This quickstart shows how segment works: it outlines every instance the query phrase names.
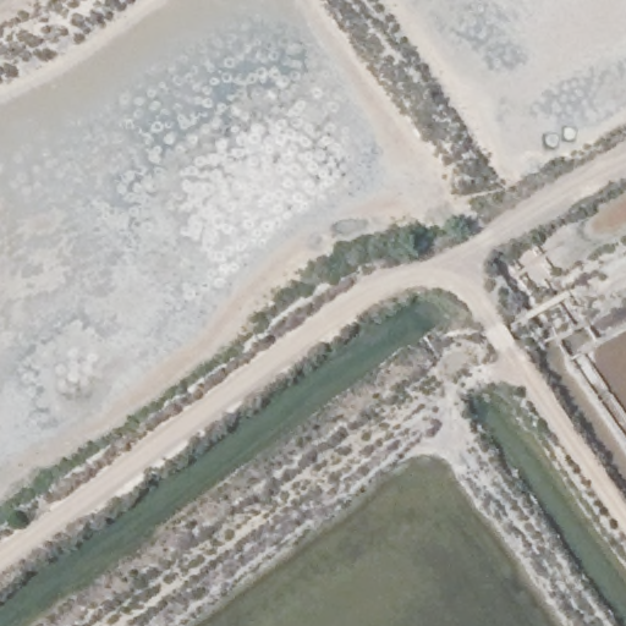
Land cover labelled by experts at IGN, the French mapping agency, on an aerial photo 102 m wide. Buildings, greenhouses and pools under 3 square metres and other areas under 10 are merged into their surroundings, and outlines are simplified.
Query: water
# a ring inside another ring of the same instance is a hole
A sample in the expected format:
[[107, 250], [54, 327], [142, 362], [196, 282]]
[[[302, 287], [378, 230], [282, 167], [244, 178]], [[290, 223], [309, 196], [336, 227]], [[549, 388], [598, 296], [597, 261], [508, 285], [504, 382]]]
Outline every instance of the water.
[[342, 501], [340, 521], [318, 531], [306, 531], [301, 538], [296, 538], [293, 553], [289, 553], [284, 560], [279, 560], [274, 567], [254, 577], [247, 587], [242, 587], [235, 594], [230, 602], [220, 604], [215, 611], [210, 611], [203, 621], [193, 626], [560, 626], [550, 609], [543, 604], [540, 594], [528, 584], [514, 553], [470, 504], [457, 479], [445, 460], [421, 455], [408, 460], [401, 474], [389, 474], [384, 470], [377, 474], [377, 484], [362, 487], [352, 499]]
[[616, 450], [606, 428], [597, 421], [587, 401], [580, 394], [575, 396], [587, 418], [594, 423], [599, 438], [614, 450], [616, 465], [626, 474], [626, 457]]
[[599, 374], [609, 394], [619, 401], [619, 406], [626, 413], [626, 333], [606, 345], [599, 345], [592, 364], [592, 369]]
[[413, 345], [418, 337], [435, 328], [440, 318], [438, 308], [411, 293], [394, 315], [384, 318], [374, 328], [367, 328], [357, 320], [350, 328], [345, 328], [333, 342], [313, 347], [308, 357], [303, 357], [286, 377], [269, 384], [264, 391], [249, 394], [242, 408], [237, 408], [223, 421], [225, 433], [218, 440], [208, 440], [208, 447], [201, 455], [191, 457], [186, 450], [183, 452], [188, 457], [183, 467], [169, 470], [166, 477], [159, 477], [154, 472], [144, 479], [130, 494], [130, 506], [112, 518], [105, 516], [105, 523], [98, 531], [83, 528], [71, 553], [49, 555], [44, 567], [24, 570], [12, 584], [7, 584], [0, 592], [0, 626], [29, 626], [56, 599], [90, 587], [110, 565], [120, 562], [122, 558], [132, 558], [152, 538], [157, 526], [161, 526], [169, 516], [203, 496], [215, 482], [225, 479], [235, 467], [249, 462], [257, 452], [274, 445], [279, 438], [289, 435], [303, 418], [325, 408], [328, 403], [333, 396], [342, 394], [347, 386], [352, 386], [357, 379], [362, 379], [367, 372], [379, 367], [379, 362], [386, 359], [396, 347]]
[[496, 467], [514, 492], [518, 492], [521, 496], [533, 494], [538, 499], [538, 518], [548, 523], [555, 543], [570, 560], [572, 572], [594, 594], [599, 606], [611, 616], [614, 626], [626, 626], [626, 570], [611, 555], [611, 550], [606, 550], [602, 536], [592, 528], [592, 523], [582, 516], [572, 494], [565, 489], [558, 470], [543, 455], [533, 435], [521, 430], [521, 425], [514, 421], [509, 406], [496, 394], [484, 401], [474, 389], [465, 396], [465, 418], [470, 421], [477, 440], [484, 450], [494, 450]]
[[626, 320], [626, 303], [614, 308], [592, 325], [594, 337], [599, 337], [606, 328], [614, 328], [621, 320]]

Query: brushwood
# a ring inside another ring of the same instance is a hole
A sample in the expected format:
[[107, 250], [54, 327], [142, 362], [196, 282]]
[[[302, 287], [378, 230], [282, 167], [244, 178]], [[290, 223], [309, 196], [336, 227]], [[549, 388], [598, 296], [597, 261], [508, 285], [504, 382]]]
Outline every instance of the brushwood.
[[315, 450], [308, 452], [291, 472], [274, 477], [274, 470], [279, 465], [291, 462], [293, 455], [298, 455], [298, 447], [311, 443], [328, 423], [342, 421], [342, 416], [328, 403], [325, 408], [303, 418], [289, 435], [279, 438], [274, 445], [257, 452], [249, 462], [235, 467], [225, 479], [215, 482], [203, 496], [169, 516], [161, 526], [157, 526], [152, 538], [132, 558], [122, 558], [120, 562], [110, 565], [90, 587], [56, 599], [29, 626], [49, 626], [61, 621], [73, 606], [81, 604], [93, 609], [93, 619], [88, 619], [88, 624], [81, 626], [95, 626], [100, 621], [117, 624], [122, 614], [137, 609], [142, 602], [159, 592], [159, 587], [152, 584], [132, 584], [132, 570], [147, 572], [152, 567], [159, 572], [159, 580], [164, 582], [174, 582], [176, 577], [183, 577], [186, 582], [179, 592], [164, 597], [157, 606], [147, 609], [147, 614], [130, 621], [130, 626], [147, 626], [154, 616], [166, 611], [169, 604], [188, 604], [193, 599], [201, 599], [210, 587], [210, 575], [225, 575], [223, 592], [235, 594], [242, 587], [247, 587], [254, 577], [274, 567], [279, 560], [284, 560], [289, 553], [293, 553], [296, 538], [301, 538], [306, 531], [318, 531], [340, 521], [342, 501], [325, 506], [323, 489], [318, 487], [313, 487], [308, 494], [298, 499], [289, 499], [289, 494], [281, 487], [301, 472], [306, 472], [308, 467], [323, 470], [325, 462], [318, 457], [320, 452], [333, 450], [337, 455], [350, 455], [352, 447], [345, 447], [342, 443], [347, 438], [345, 430], [337, 430], [328, 443], [315, 445]]
[[169, 470], [183, 467], [188, 457], [183, 452], [169, 460], [164, 467], [147, 470], [144, 479], [154, 472], [159, 477], [166, 477]]
[[484, 335], [484, 325], [474, 320], [470, 306], [445, 289], [416, 289], [396, 293], [381, 301], [379, 306], [372, 306], [357, 320], [367, 328], [374, 328], [384, 318], [394, 315], [411, 293], [438, 308], [440, 318], [435, 328], [418, 337], [413, 345], [396, 347], [386, 359], [391, 364], [401, 364], [408, 377], [394, 386], [391, 396], [374, 394], [372, 401], [377, 406], [403, 406], [408, 401], [408, 391], [435, 394], [435, 389], [440, 389], [443, 384], [435, 377], [430, 377], [430, 372], [438, 364], [443, 350], [452, 345], [447, 330], [470, 328], [472, 335]]
[[514, 421], [521, 425], [521, 430], [533, 435], [543, 455], [558, 470], [565, 489], [572, 494], [582, 516], [592, 523], [592, 528], [602, 536], [606, 550], [611, 550], [611, 555], [626, 570], [626, 536], [614, 514], [594, 492], [592, 479], [587, 479], [577, 460], [550, 430], [548, 421], [540, 416], [540, 411], [536, 408], [523, 386], [484, 384], [474, 389], [484, 401], [496, 394], [509, 406]]
[[470, 445], [477, 467], [467, 474], [460, 474], [457, 479], [470, 504], [514, 553], [528, 584], [540, 594], [543, 604], [550, 609], [560, 626], [614, 626], [611, 616], [599, 606], [594, 594], [572, 572], [570, 560], [555, 543], [548, 523], [538, 518], [538, 499], [533, 494], [521, 496], [518, 492], [514, 492], [496, 467], [494, 450], [484, 450], [477, 440], [474, 445]]
[[[12, 536], [17, 528], [29, 526], [37, 518], [37, 496], [44, 496], [46, 501], [59, 501], [71, 496], [81, 484], [88, 484], [103, 467], [110, 467], [117, 455], [130, 452], [137, 440], [147, 438], [164, 421], [179, 416], [186, 406], [201, 401], [213, 386], [223, 384], [237, 367], [249, 364], [262, 350], [271, 347], [289, 330], [303, 325], [306, 318], [318, 313], [325, 303], [335, 301], [340, 293], [350, 291], [357, 284], [357, 274], [372, 274], [381, 267], [423, 262], [438, 252], [467, 242], [470, 237], [479, 235], [489, 223], [494, 223], [501, 213], [514, 210], [536, 191], [555, 183], [560, 176], [580, 166], [592, 164], [594, 159], [599, 159], [602, 154], [606, 154], [626, 139], [626, 122], [599, 137], [597, 142], [584, 144], [580, 152], [572, 152], [567, 159], [553, 159], [538, 171], [526, 174], [521, 181], [506, 183], [496, 176], [487, 154], [472, 139], [462, 115], [457, 112], [457, 108], [452, 108], [438, 78], [430, 73], [430, 66], [421, 59], [418, 49], [403, 34], [399, 20], [394, 15], [384, 20], [372, 17], [362, 0], [323, 0], [337, 27], [350, 34], [350, 42], [362, 61], [369, 54], [381, 54], [381, 44], [367, 34], [367, 22], [381, 29], [389, 44], [401, 51], [399, 64], [394, 64], [391, 56], [384, 61], [384, 78], [403, 83], [406, 98], [411, 100], [411, 117], [425, 142], [452, 142], [452, 152], [443, 159], [443, 164], [455, 166], [457, 174], [470, 174], [470, 181], [460, 183], [460, 191], [467, 196], [467, 203], [472, 205], [470, 213], [455, 215], [440, 227], [391, 225], [384, 232], [362, 235], [350, 242], [337, 242], [333, 247], [333, 254], [308, 262], [298, 281], [291, 281], [289, 286], [279, 289], [274, 293], [274, 303], [254, 313], [245, 323], [242, 333], [225, 350], [213, 355], [208, 362], [198, 364], [179, 384], [161, 391], [152, 403], [127, 416], [122, 425], [95, 440], [88, 440], [83, 447], [78, 447], [68, 457], [61, 457], [56, 465], [39, 470], [29, 487], [22, 487], [17, 494], [0, 501], [0, 538]], [[254, 333], [264, 330], [269, 318], [284, 311], [291, 301], [313, 293], [313, 289], [325, 281], [330, 284], [325, 293], [320, 293], [308, 306], [298, 308], [291, 318], [284, 318], [279, 325], [274, 325], [271, 335], [254, 342], [254, 347], [249, 347], [247, 352], [242, 350], [245, 342], [254, 337]]]
[[614, 450], [599, 438], [594, 423], [587, 418], [575, 396], [565, 381], [565, 374], [550, 367], [550, 325], [545, 325], [540, 318], [531, 318], [511, 337], [518, 347], [526, 350], [528, 359], [538, 367], [538, 372], [558, 396], [562, 411], [567, 413], [577, 433], [584, 438], [589, 450], [597, 455], [609, 479], [626, 501], [626, 474], [616, 465]]
[[367, 423], [374, 423], [379, 430], [389, 425], [381, 413], [367, 408], [359, 413], [357, 421], [350, 423], [352, 430], [359, 430]]
[[218, 440], [225, 433], [223, 421], [210, 423], [205, 435], [196, 435], [186, 450], [191, 457], [201, 455], [208, 447], [208, 440]]
[[0, 592], [7, 584], [12, 584], [24, 570], [44, 567], [49, 555], [71, 553], [83, 528], [98, 531], [105, 523], [105, 516], [112, 518], [130, 506], [130, 494], [112, 499], [108, 509], [100, 514], [71, 521], [66, 531], [56, 533], [54, 540], [44, 543], [44, 548], [32, 550], [24, 560], [0, 572]]
[[78, 27], [73, 39], [76, 44], [83, 44], [98, 24], [103, 27], [117, 12], [127, 10], [137, 0], [105, 0], [103, 12], [73, 17], [73, 24]]
[[626, 179], [606, 183], [594, 196], [577, 201], [560, 218], [521, 235], [518, 240], [499, 245], [499, 249], [494, 249], [487, 259], [484, 276], [487, 291], [496, 286], [499, 276], [504, 279], [504, 289], [499, 296], [499, 315], [504, 325], [514, 323], [514, 318], [518, 318], [521, 311], [528, 311], [531, 303], [528, 296], [518, 289], [509, 267], [516, 264], [523, 252], [545, 245], [545, 240], [555, 235], [560, 227], [597, 215], [597, 210], [604, 203], [626, 193]]
[[61, 42], [66, 37], [66, 29], [44, 27], [37, 37], [29, 32], [20, 32], [10, 34], [7, 46], [0, 44], [0, 83], [17, 78], [20, 61], [34, 61], [39, 51], [44, 51], [42, 44]]

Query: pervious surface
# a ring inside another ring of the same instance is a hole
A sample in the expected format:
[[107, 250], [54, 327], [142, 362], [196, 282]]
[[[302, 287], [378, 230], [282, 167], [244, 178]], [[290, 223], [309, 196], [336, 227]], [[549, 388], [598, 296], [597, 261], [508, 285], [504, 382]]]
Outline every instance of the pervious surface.
[[599, 137], [626, 122], [626, 0], [362, 0], [372, 17], [384, 20], [394, 15], [399, 20], [403, 34], [418, 49], [421, 59], [430, 66], [430, 73], [438, 78], [452, 108], [457, 108], [457, 112], [462, 115], [472, 139], [487, 154], [496, 176], [506, 183], [521, 181], [526, 174], [538, 171], [553, 159], [567, 159], [572, 152], [580, 152], [584, 144], [597, 142]]
[[88, 619], [93, 619], [93, 609], [81, 604], [73, 606], [61, 621], [49, 626], [81, 626], [88, 624]]
[[[403, 406], [377, 406], [372, 401], [374, 394], [391, 396], [394, 386], [408, 377], [401, 364], [391, 364], [386, 359], [379, 362], [379, 367], [367, 372], [362, 379], [357, 379], [352, 386], [347, 386], [342, 394], [333, 396], [328, 403], [342, 416], [342, 421], [328, 423], [311, 443], [298, 447], [298, 455], [293, 455], [291, 462], [279, 465], [274, 470], [274, 477], [291, 472], [308, 452], [315, 450], [315, 445], [328, 443], [337, 430], [345, 430], [347, 438], [342, 443], [345, 447], [352, 447], [350, 455], [337, 455], [333, 450], [320, 452], [318, 457], [325, 462], [323, 470], [308, 467], [306, 472], [301, 472], [281, 487], [289, 494], [289, 499], [298, 499], [308, 494], [313, 487], [318, 487], [323, 489], [325, 506], [342, 501], [352, 499], [362, 487], [377, 484], [377, 474], [384, 470], [389, 474], [401, 474], [408, 460], [421, 455], [445, 460], [457, 479], [460, 474], [467, 474], [477, 467], [470, 445], [474, 445], [477, 440], [470, 421], [465, 418], [465, 396], [474, 389], [484, 384], [523, 386], [536, 408], [540, 411], [540, 416], [548, 421], [550, 430], [577, 460], [587, 479], [592, 479], [594, 492], [614, 514], [626, 536], [626, 501], [609, 479], [597, 455], [589, 450], [584, 438], [577, 433], [567, 413], [562, 411], [558, 396], [538, 372], [538, 367], [528, 359], [526, 350], [518, 347], [511, 337], [531, 318], [540, 318], [545, 325], [550, 325], [550, 367], [565, 374], [565, 381], [575, 396], [580, 394], [587, 401], [597, 421], [606, 428], [616, 450], [626, 457], [626, 413], [619, 406], [619, 401], [609, 394], [599, 374], [592, 369], [592, 364], [599, 345], [606, 345], [626, 333], [626, 320], [621, 320], [614, 328], [606, 328], [599, 337], [594, 337], [592, 325], [614, 308], [626, 303], [626, 193], [604, 203], [597, 210], [597, 215], [560, 227], [555, 235], [545, 240], [545, 245], [523, 252], [516, 264], [509, 267], [518, 289], [528, 296], [531, 303], [528, 311], [521, 311], [518, 318], [514, 318], [514, 323], [504, 325], [499, 315], [499, 296], [504, 289], [504, 279], [499, 276], [496, 286], [487, 291], [484, 276], [487, 259], [494, 249], [499, 249], [499, 245], [518, 240], [521, 235], [560, 218], [577, 201], [594, 196], [606, 183], [626, 179], [626, 139], [606, 154], [602, 154], [599, 159], [594, 159], [592, 164], [580, 166], [560, 176], [555, 183], [536, 191], [514, 210], [501, 213], [494, 223], [489, 223], [479, 235], [470, 237], [467, 242], [438, 252], [423, 262], [381, 267], [372, 274], [357, 274], [357, 284], [350, 291], [340, 293], [335, 301], [325, 303], [318, 313], [306, 318], [303, 325], [289, 330], [271, 347], [262, 350], [249, 364], [237, 367], [223, 384], [213, 386], [201, 401], [186, 406], [179, 416], [164, 421], [147, 438], [137, 440], [130, 452], [117, 455], [110, 467], [103, 467], [88, 484], [81, 484], [71, 496], [59, 501], [46, 501], [44, 496], [37, 496], [37, 518], [29, 526], [17, 528], [12, 536], [0, 538], [0, 572], [24, 560], [32, 550], [44, 548], [44, 543], [54, 540], [56, 533], [66, 531], [71, 521], [100, 514], [108, 509], [112, 499], [130, 494], [144, 479], [147, 470], [164, 467], [169, 460], [183, 452], [186, 450], [196, 435], [205, 435], [210, 423], [223, 421], [237, 408], [242, 408], [249, 394], [264, 391], [269, 384], [286, 377], [303, 357], [308, 357], [313, 347], [333, 342], [345, 328], [350, 328], [357, 320], [372, 306], [379, 306], [381, 301], [396, 293], [416, 289], [445, 289], [470, 306], [474, 320], [484, 325], [484, 335], [472, 335], [470, 328], [447, 330], [452, 345], [443, 350], [438, 364], [430, 372], [430, 377], [435, 377], [443, 384], [440, 389], [435, 389], [435, 394], [408, 391], [408, 401]], [[374, 423], [367, 423], [359, 430], [352, 430], [350, 423], [357, 421], [359, 413], [367, 408], [381, 413], [389, 425], [379, 430]]]
[[274, 293], [279, 289], [289, 286], [291, 281], [298, 281], [308, 262], [333, 254], [333, 247], [337, 242], [350, 242], [362, 235], [384, 232], [391, 225], [440, 227], [455, 215], [470, 213], [472, 205], [467, 203], [467, 196], [460, 191], [460, 183], [470, 181], [470, 174], [457, 174], [455, 166], [443, 164], [443, 159], [452, 152], [452, 142], [425, 142], [411, 117], [411, 100], [406, 98], [403, 83], [384, 78], [384, 61], [391, 56], [394, 64], [399, 64], [401, 51], [389, 44], [381, 29], [367, 22], [367, 34], [381, 44], [381, 54], [369, 54], [362, 61], [350, 42], [350, 34], [337, 27], [323, 0], [137, 0], [127, 10], [117, 12], [103, 27], [98, 24], [83, 44], [76, 44], [73, 39], [78, 27], [73, 24], [73, 17], [103, 12], [105, 0], [0, 0], [0, 44], [7, 46], [10, 34], [20, 32], [29, 32], [37, 37], [44, 27], [66, 29], [66, 37], [61, 42], [42, 44], [44, 51], [39, 51], [34, 61], [20, 61], [17, 78], [0, 83], [0, 501], [17, 494], [22, 487], [29, 487], [39, 470], [56, 465], [61, 457], [68, 457], [78, 447], [83, 447], [88, 440], [95, 440], [122, 425], [127, 416], [152, 403], [161, 391], [179, 384], [198, 364], [208, 362], [213, 355], [225, 350], [242, 333], [245, 323], [254, 313], [274, 303]]
[[157, 606], [164, 597], [179, 592], [186, 582], [183, 577], [176, 577], [174, 582], [164, 582], [159, 580], [159, 572], [152, 567], [147, 572], [132, 570], [132, 584], [152, 584], [159, 587], [159, 592], [142, 602], [137, 609], [122, 614], [117, 624], [100, 621], [95, 626], [130, 626], [130, 621], [147, 614], [147, 609]]
[[291, 318], [298, 308], [308, 306], [320, 293], [325, 293], [330, 284], [325, 281], [313, 289], [313, 293], [291, 301], [284, 311], [269, 318], [264, 330], [254, 333], [254, 337], [245, 342], [242, 350], [247, 352], [249, 347], [254, 347], [254, 342], [271, 335], [274, 325], [279, 325], [284, 318]]
[[154, 616], [147, 626], [193, 626], [203, 621], [210, 611], [215, 611], [220, 604], [230, 602], [235, 594], [223, 592], [225, 575], [210, 575], [210, 587], [201, 599], [193, 599], [188, 604], [169, 604], [166, 611]]

